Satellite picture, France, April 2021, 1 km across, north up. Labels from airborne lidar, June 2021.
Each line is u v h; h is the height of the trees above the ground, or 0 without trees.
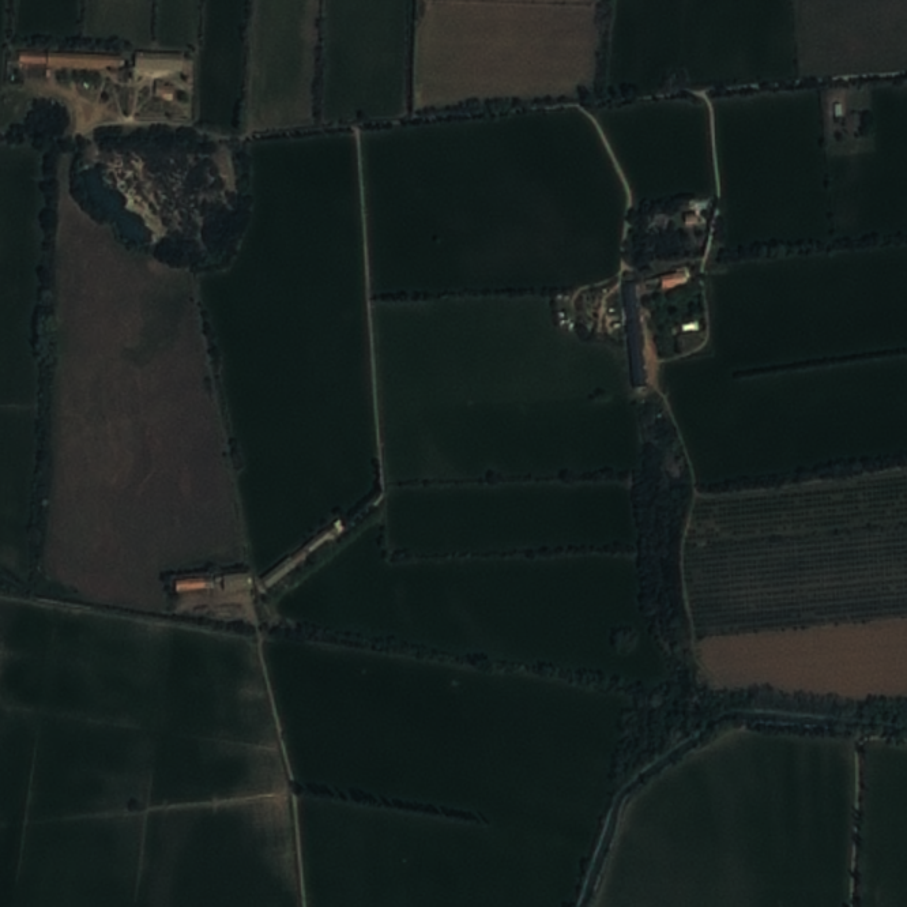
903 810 0
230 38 0
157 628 0
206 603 0
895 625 0
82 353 0
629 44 0
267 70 0
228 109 0
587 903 8
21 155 0
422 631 0
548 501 0
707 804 0
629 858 0
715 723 11
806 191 0
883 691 0
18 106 0
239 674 0
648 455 9
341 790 0
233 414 0
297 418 0
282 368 0
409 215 0
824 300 0
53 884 0
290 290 0
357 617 0
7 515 0
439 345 0
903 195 0
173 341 0
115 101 0
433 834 0
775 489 8
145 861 0
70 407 0
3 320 0
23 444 0
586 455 0
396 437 0
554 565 0
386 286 0
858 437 0
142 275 0
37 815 0
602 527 0
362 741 0
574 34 0
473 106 12
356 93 0
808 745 0
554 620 0
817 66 0
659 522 11
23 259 0
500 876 0
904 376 0
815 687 0
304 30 0
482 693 0
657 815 0
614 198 0
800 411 0
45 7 0
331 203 0
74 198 9
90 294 0
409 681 0
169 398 0
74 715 0
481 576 0
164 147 5
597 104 7
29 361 0
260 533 0
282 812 0
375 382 0
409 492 0
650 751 9
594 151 0
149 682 0
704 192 0
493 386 0
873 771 0
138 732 0
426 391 0
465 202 0
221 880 0
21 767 0
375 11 0
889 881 0
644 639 0
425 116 7
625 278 7
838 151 0
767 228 0
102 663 0
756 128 0
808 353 0
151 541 0
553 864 0
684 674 8
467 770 0
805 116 0
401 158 0
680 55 0
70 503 0
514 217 0
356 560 0
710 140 0
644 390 0
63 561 0
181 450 0
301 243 0
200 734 0
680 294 13
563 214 0
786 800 0
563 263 0
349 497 0
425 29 0
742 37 0
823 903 0
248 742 0
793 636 0
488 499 0
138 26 0
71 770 0
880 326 0
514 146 0
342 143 0
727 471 0
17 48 7
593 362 0
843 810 0
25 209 0
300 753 0
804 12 0
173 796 0
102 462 0
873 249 11
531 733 0
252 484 0
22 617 0
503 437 0
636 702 14
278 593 14
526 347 0
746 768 0
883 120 0
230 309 0
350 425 0
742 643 0
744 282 0
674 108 0
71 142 8
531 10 0
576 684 9
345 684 0
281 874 0
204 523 0
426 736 0
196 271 10
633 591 0
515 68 0
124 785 0
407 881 0
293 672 0
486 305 0
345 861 0
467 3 0
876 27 0
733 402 0
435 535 0
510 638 0
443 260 0
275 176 0
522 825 0
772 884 0
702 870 0
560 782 0
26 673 0
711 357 0
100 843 0
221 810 0
